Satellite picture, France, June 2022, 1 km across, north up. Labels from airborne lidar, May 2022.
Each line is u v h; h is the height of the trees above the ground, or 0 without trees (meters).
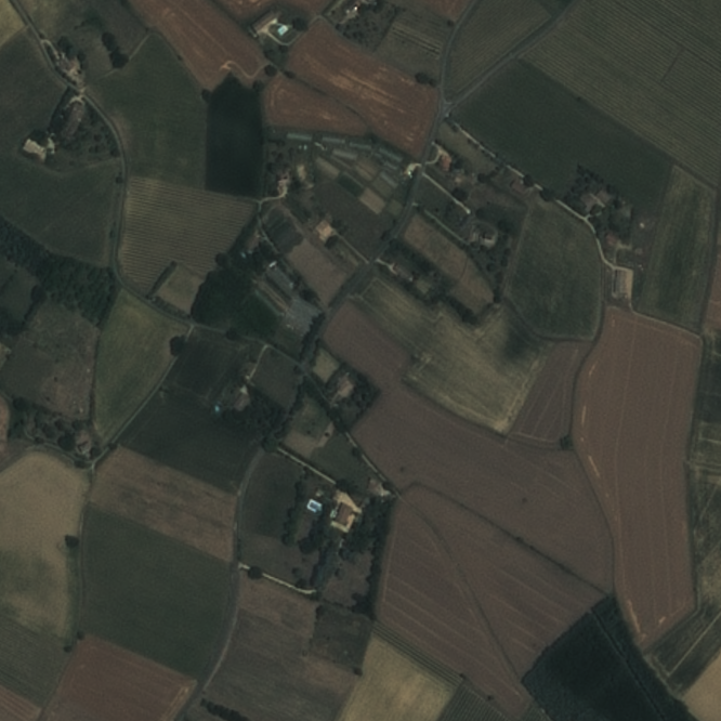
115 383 0
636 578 0
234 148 0
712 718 0
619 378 0
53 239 0
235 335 11
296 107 0
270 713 0
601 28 0
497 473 0
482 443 0
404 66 0
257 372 0
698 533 0
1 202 0
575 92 0
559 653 19
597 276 0
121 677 0
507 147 0
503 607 0
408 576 0
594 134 0
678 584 0
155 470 0
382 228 0
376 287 0
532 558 0
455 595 0
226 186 0
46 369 0
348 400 9
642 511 0
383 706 0
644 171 0
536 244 0
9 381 0
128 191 0
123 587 0
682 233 0
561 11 0
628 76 0
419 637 0
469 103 0
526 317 0
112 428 0
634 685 17
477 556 0
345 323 0
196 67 0
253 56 0
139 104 0
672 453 0
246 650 0
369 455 0
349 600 0
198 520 0
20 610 0
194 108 0
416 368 0
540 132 0
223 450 0
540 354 0
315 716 0
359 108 0
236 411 13
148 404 0
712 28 0
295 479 0
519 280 0
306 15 0
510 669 0
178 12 0
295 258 0
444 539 0
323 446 0
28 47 0
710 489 0
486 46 0
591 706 20
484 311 0
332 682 0
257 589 0
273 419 11
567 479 0
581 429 0
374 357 0
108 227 0
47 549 0
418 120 0
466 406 0
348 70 0
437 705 0
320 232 0
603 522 0
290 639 0
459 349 0
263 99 0
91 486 0
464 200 13
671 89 0
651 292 0
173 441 0
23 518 0
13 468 0
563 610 0
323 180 0
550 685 17
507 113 0
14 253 17
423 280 0
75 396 0
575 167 0
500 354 0
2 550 0
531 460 0
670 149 0
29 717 0
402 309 0
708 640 0
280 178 0
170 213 0
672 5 0
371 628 0
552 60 0
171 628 0
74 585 0
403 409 0
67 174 0
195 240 0
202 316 8
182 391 0
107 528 0
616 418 0
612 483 0
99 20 7
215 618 0
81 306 12
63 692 0
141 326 0
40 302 14
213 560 0
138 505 0
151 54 0
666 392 0
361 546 18
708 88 0
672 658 0
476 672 0
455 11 0
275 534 0
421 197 0
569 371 0
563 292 0
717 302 0
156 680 0
